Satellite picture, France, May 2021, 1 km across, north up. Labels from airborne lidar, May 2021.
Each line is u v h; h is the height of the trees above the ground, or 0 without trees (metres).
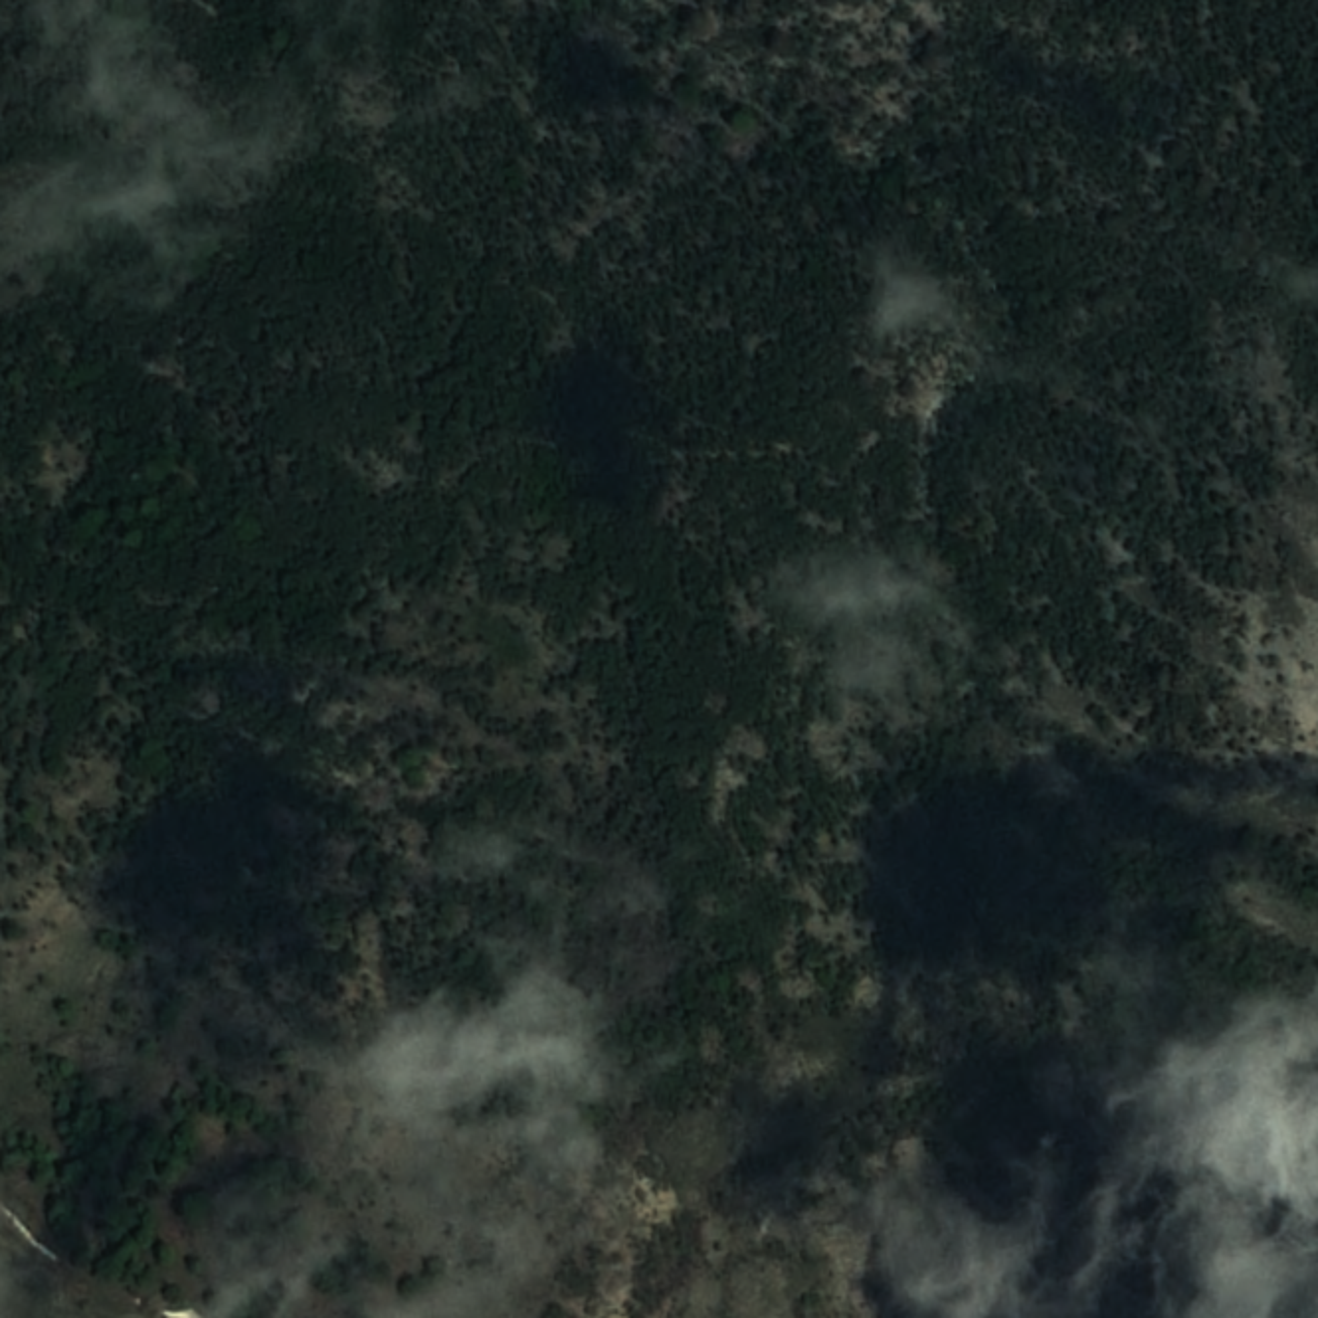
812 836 10
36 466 9
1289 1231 6
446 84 11
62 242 14
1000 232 18
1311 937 0
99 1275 11
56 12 11
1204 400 15
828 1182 0
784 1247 10
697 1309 0
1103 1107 0
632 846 11
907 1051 11
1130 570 8
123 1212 23
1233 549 9
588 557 15
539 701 0
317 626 14
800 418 12
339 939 7
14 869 12
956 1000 7
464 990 11
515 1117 12
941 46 22
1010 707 13
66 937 0
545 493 6
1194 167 8
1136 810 11
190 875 11
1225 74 14
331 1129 0
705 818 10
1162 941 12
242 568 15
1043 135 13
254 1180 27
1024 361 15
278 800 10
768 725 13
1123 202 13
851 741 11
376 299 14
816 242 16
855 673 10
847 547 11
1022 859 9
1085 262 12
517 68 10
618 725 12
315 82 10
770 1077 0
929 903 12
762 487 9
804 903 11
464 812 11
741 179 14
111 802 0
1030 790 16
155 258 25
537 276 11
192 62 11
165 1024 12
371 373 9
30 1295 0
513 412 11
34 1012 0
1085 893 9
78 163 12
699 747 12
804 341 9
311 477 13
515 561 7
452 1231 7
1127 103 11
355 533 11
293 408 12
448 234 13
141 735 15
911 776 15
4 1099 0
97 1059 0
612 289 14
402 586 10
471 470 8
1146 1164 0
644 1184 0
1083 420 8
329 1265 19
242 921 14
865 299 10
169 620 9
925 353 7
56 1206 20
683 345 14
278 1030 0
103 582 15
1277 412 8
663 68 19
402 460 6
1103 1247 6
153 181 16
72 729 11
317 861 10
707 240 11
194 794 13
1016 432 10
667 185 12
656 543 14
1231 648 10
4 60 12
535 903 12
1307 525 0
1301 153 20
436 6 13
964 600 15
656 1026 10
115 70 19
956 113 12
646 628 15
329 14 11
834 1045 0
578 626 9
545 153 18
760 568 15
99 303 22
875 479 8
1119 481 11
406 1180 0
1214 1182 0
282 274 13
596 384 13
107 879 0
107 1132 17
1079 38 13
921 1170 0
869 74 9
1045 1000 7
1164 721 10
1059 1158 15
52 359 7
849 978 10
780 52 26
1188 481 13
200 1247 0
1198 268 12
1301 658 0
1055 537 12
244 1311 15
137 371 10
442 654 0
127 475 14
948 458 15
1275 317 6
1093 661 13
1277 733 0
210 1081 15
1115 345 12
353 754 11
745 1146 0
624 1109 9
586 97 14
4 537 15
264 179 10
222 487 13
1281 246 9
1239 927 10
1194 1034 10
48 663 13
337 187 10
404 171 6
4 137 17
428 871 0
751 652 9
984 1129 9
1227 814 0
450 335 16
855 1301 0
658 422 11
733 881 9
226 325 12
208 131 11
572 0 22
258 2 10
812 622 12
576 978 8
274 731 13
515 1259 0
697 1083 11
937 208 18
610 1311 0
